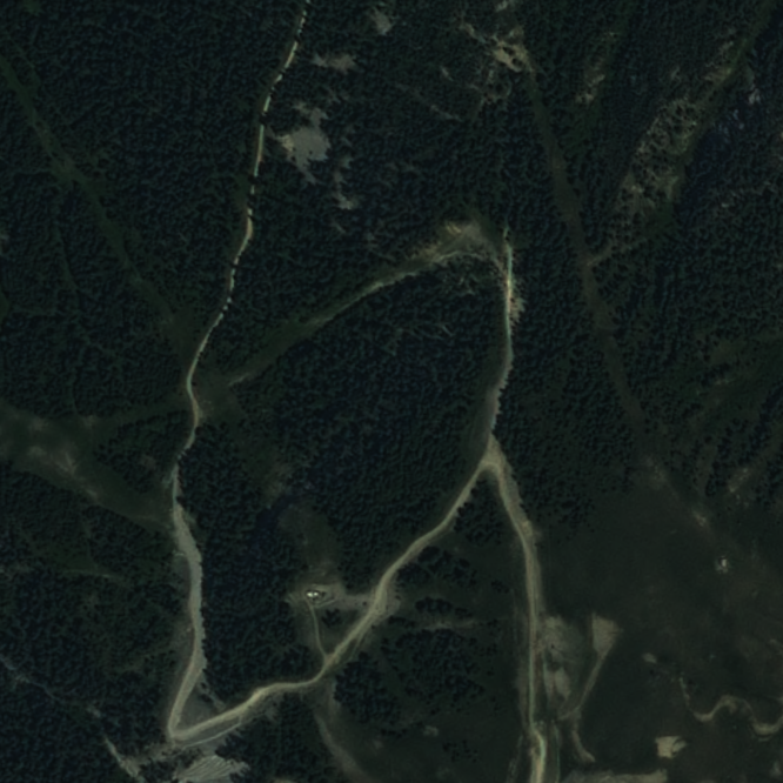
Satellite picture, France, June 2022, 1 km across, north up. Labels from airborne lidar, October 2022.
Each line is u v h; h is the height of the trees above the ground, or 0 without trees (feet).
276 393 27
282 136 20
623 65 31
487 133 51
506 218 51
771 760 0
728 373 73
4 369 21
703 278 50
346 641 0
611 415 44
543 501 21
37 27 78
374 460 56
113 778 79
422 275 24
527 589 0
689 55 29
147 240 53
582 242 0
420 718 0
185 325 0
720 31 37
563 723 0
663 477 0
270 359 0
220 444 73
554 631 0
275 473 0
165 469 39
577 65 22
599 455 36
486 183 74
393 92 28
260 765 43
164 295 41
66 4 57
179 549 0
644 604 0
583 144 23
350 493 80
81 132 43
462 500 0
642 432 0
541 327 57
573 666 0
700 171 33
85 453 0
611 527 0
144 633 28
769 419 43
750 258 55
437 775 0
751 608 0
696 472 21
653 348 22
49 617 67
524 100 83
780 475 63
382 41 37
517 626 0
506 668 0
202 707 0
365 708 56
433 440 62
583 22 53
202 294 30
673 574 0
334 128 47
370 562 74
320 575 0
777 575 0
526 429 41
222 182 0
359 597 0
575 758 0
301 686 0
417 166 44
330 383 30
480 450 0
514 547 0
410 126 27
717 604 0
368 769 0
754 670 0
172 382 38
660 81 33
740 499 0
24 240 81
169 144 92
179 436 46
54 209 79
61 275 73
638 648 0
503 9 0
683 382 19
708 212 51
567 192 0
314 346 23
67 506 40
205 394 0
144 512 0
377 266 79
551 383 32
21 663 65
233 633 36
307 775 59
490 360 33
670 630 0
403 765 0
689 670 0
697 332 56
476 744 0
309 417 62
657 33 29
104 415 34
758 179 58
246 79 99
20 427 0
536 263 59
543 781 0
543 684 0
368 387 56
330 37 19
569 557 0
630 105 21
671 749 0
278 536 78
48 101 49
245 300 21
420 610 35
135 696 70
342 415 56
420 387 50
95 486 0
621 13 32
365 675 85
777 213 79
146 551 38
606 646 0
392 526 83
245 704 0
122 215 36
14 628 30
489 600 0
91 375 47
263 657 75
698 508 0
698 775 0
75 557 18
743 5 59
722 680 0
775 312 57
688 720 0
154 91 60
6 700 69
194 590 0
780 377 22
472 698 57
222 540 48
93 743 85
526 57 0
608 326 0
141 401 50
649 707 0
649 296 54
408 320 69
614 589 0
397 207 46
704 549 0
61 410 53
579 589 0
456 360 45
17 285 62
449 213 23
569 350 64
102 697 53
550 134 0
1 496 46
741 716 0
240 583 58
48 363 33
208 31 52
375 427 53
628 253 21
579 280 29
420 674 26
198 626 0
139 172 25
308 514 0
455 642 46
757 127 43
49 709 68
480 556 0
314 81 66
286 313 39
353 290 35
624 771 0
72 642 29
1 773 77
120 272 50
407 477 63
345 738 0
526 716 0
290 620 65
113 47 41
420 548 0
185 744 0
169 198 68
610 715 0
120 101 48
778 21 28
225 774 0
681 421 34
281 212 30
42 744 26
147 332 85
